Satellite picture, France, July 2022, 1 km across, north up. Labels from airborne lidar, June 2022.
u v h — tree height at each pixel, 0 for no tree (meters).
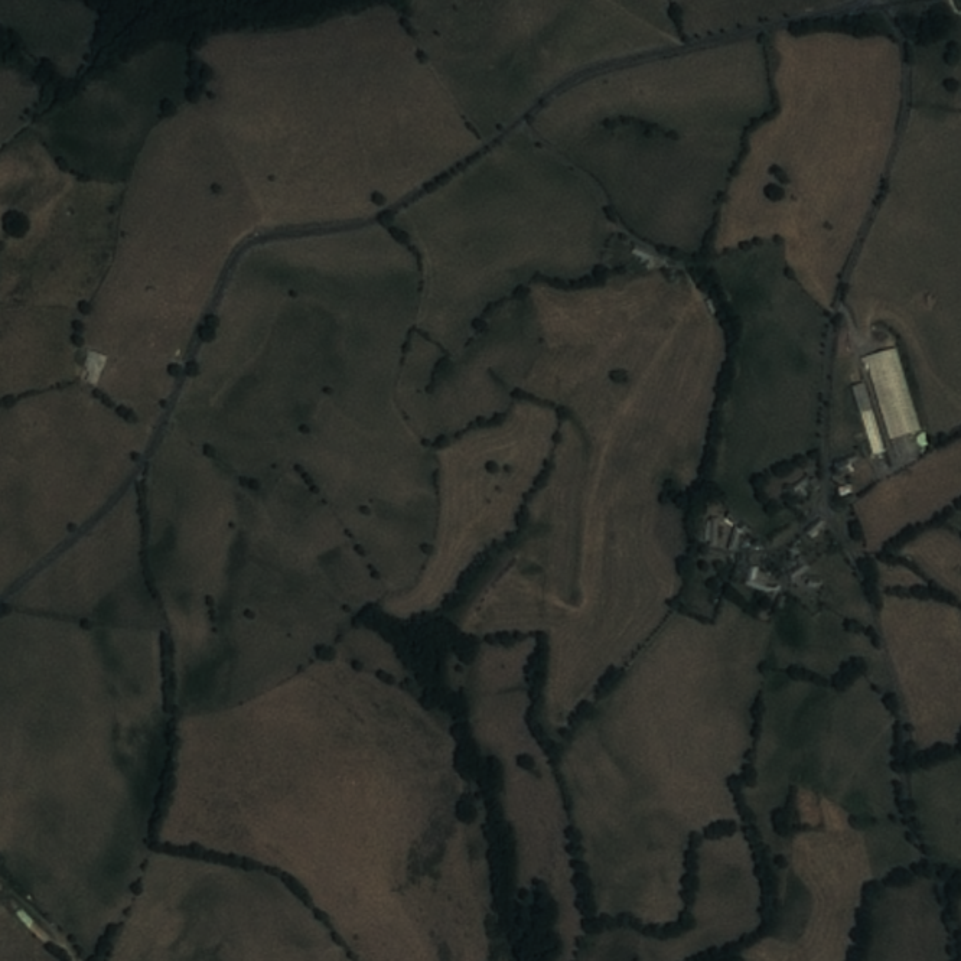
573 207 0
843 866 0
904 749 14
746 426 0
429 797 0
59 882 0
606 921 17
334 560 0
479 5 0
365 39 0
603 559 0
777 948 0
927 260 0
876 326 0
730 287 0
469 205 0
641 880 0
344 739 0
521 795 0
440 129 0
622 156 0
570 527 0
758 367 0
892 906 0
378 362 0
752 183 0
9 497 0
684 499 18
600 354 0
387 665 0
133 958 0
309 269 0
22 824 0
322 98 0
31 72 6
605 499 0
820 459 11
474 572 14
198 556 0
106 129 0
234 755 0
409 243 14
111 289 0
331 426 0
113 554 0
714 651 0
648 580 0
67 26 0
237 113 0
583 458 0
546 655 12
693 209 0
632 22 0
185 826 0
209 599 10
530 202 0
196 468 0
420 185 0
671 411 0
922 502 0
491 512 0
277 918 0
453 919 0
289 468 0
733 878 0
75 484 0
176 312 0
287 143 0
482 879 0
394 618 8
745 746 0
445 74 0
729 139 0
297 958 0
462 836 0
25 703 0
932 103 0
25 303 0
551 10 0
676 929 16
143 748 0
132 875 0
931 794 0
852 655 0
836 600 0
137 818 0
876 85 0
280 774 0
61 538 0
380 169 0
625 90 0
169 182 0
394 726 0
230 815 0
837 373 0
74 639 0
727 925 0
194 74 12
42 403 0
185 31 16
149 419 0
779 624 0
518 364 0
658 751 0
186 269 0
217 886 0
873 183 0
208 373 0
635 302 0
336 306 0
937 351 0
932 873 18
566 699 0
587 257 0
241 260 0
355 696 0
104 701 0
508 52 0
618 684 17
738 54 0
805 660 0
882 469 0
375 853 0
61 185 0
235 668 0
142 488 8
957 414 0
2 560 0
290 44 0
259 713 0
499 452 0
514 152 0
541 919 23
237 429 0
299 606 0
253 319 0
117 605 0
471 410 0
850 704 0
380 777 0
